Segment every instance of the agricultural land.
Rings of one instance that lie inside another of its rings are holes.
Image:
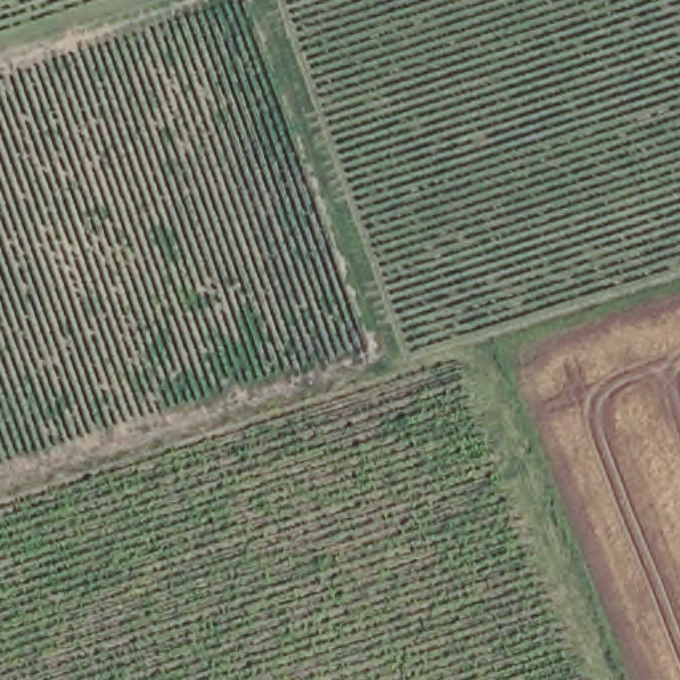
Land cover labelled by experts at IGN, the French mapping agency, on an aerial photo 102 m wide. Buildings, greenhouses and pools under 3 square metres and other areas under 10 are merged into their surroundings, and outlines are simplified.
[[[590,568],[600,606],[619,643],[630,680],[680,680],[680,290],[622,311],[611,311],[584,324],[566,327],[560,332],[515,348],[518,388],[529,406],[531,425],[545,444],[545,460],[558,483],[566,515],[579,539],[584,563]]]

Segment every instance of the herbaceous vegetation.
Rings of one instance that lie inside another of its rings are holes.
[[[367,356],[375,367],[375,375],[385,375],[390,364],[396,364],[398,348],[406,345],[390,298],[390,290],[398,290],[401,282],[388,284],[380,274],[380,266],[369,268],[369,247],[364,242],[367,228],[359,223],[359,218],[351,218],[348,207],[353,202],[353,189],[348,183],[348,173],[343,170],[337,143],[329,130],[316,130],[316,112],[308,98],[308,88],[313,85],[311,64],[305,50],[300,50],[298,29],[290,19],[287,0],[244,0],[244,8],[255,27],[255,37],[260,43],[260,53],[268,64],[271,82],[279,93],[300,165],[305,170],[316,207],[327,226],[332,252],[343,274],[343,284],[348,290],[356,321],[364,332]]]
[[[579,539],[566,515],[558,483],[545,460],[545,444],[531,425],[529,406],[518,388],[515,348],[560,332],[566,327],[584,324],[611,311],[622,311],[680,290],[680,279],[645,287],[640,292],[622,295],[606,303],[595,303],[574,313],[563,313],[531,324],[526,329],[491,337],[486,343],[457,348],[452,356],[457,361],[457,375],[462,380],[462,393],[468,396],[475,430],[483,436],[483,457],[478,460],[494,462],[491,483],[499,483],[502,494],[507,497],[507,507],[518,510],[523,523],[529,526],[531,545],[526,547],[526,560],[537,563],[539,571],[545,571],[545,592],[550,598],[550,611],[558,616],[563,627],[563,648],[574,648],[584,659],[582,675],[587,680],[630,680],[619,643],[600,606],[590,568],[584,563]]]
[[[53,13],[43,21],[29,21],[16,29],[0,32],[0,53],[5,48],[24,43],[58,40],[72,27],[93,29],[101,24],[120,21],[125,13],[133,13],[135,5],[143,5],[143,11],[154,11],[170,8],[178,0],[93,0],[88,5]]]
[[[165,438],[154,438],[151,444],[141,444],[133,449],[120,449],[114,454],[88,457],[80,465],[56,465],[45,475],[27,473],[24,481],[0,489],[0,505],[66,481],[77,481],[85,473],[120,468],[120,473],[133,473],[141,470],[138,457],[143,454],[165,452],[167,446],[186,446],[199,438],[239,430],[247,422],[263,422],[274,414],[348,393],[348,375],[337,375],[327,383],[300,385],[300,377],[295,375],[263,388],[236,385],[210,406],[194,406],[189,401],[181,404],[175,412],[186,420],[186,430],[173,430]]]

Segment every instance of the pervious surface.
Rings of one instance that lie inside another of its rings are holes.
[[[178,11],[202,5],[207,0],[178,0],[170,8],[154,11],[143,11],[143,5],[135,5],[133,13],[125,13],[120,21],[101,24],[93,29],[72,27],[58,40],[24,43],[5,48],[0,53],[0,74],[16,74],[16,69],[21,66],[77,50],[77,45],[90,45],[114,37],[125,29],[138,32],[159,19],[170,19]]]

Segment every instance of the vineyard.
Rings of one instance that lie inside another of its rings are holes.
[[[0,0],[0,32],[16,29],[29,21],[43,21],[53,13],[88,5],[93,0]]]
[[[138,32],[125,29],[114,37],[90,45],[77,45],[77,50],[21,66],[16,69],[16,74],[0,74],[0,462],[48,452],[53,446],[61,446],[64,441],[88,436],[90,430],[114,428],[128,417],[175,412],[181,404],[189,401],[194,406],[210,406],[236,385],[263,388],[295,375],[300,377],[300,385],[327,383],[337,375],[348,375],[348,393],[274,414],[263,422],[247,422],[239,430],[199,438],[186,446],[167,446],[165,452],[143,454],[138,457],[141,470],[133,473],[120,473],[120,468],[85,473],[77,481],[66,481],[0,505],[0,680],[587,680],[582,675],[584,659],[574,648],[563,648],[563,627],[558,616],[550,611],[550,598],[545,592],[545,571],[539,571],[537,563],[526,560],[526,547],[531,545],[529,526],[523,523],[518,510],[507,507],[507,497],[502,494],[499,483],[491,483],[494,462],[478,460],[483,457],[483,436],[475,430],[468,396],[462,393],[462,380],[457,375],[457,361],[452,356],[457,348],[486,343],[491,337],[526,329],[531,324],[563,313],[574,313],[595,303],[606,303],[622,295],[640,292],[645,287],[680,279],[680,0],[287,0],[290,19],[298,29],[300,50],[305,50],[311,64],[313,85],[308,88],[308,98],[316,112],[316,130],[329,130],[337,143],[343,170],[348,173],[348,183],[353,189],[353,202],[348,207],[351,218],[359,218],[359,223],[367,228],[364,242],[369,247],[369,268],[380,266],[380,274],[388,284],[401,282],[398,290],[390,290],[390,298],[406,345],[398,348],[396,364],[390,364],[385,375],[375,375],[375,367],[367,356],[364,332],[356,321],[348,290],[343,284],[343,274],[332,252],[327,226],[316,207],[305,170],[300,165],[279,93],[271,82],[268,64],[260,53],[260,43],[255,37],[255,27],[244,8],[244,0],[207,0],[202,5],[178,11],[170,19],[159,19]]]

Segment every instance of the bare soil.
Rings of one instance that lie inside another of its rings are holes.
[[[24,481],[27,473],[45,475],[56,465],[80,465],[88,457],[114,454],[120,449],[133,449],[141,444],[151,444],[154,438],[165,438],[173,430],[186,430],[186,420],[175,412],[128,417],[114,428],[90,430],[88,436],[64,441],[61,446],[53,446],[48,452],[0,462],[0,489]]]

